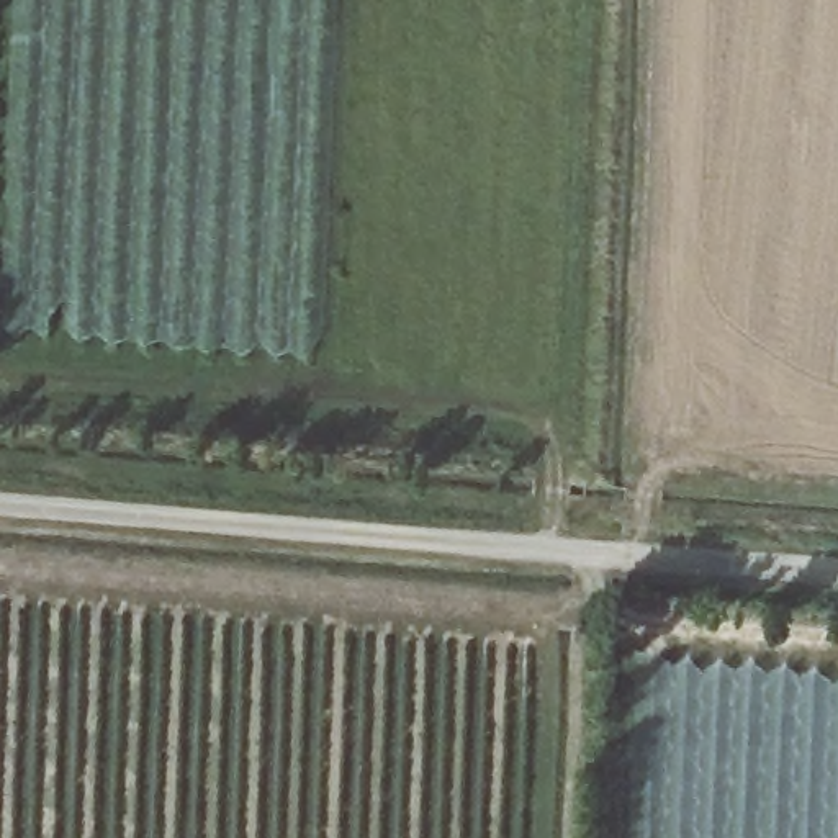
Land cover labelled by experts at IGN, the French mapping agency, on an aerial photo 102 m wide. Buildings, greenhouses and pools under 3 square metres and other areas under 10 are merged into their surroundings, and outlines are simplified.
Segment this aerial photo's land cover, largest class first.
<instances>
[{"label":"deciduous trees","instance_id":"1","mask_svg":"<svg viewBox=\"0 0 838 838\"><path fill-rule=\"evenodd\" d=\"M619 0H0V491L448 530H543V484H556L563 471L592 475L599 462L609 223L596 219V173L612 167ZM645 543L651 553L635 570H612L606 576V586L592 592L589 602L579 609V632L586 642V838H838V507L766 504V488L759 481H750L723 468L671 471L665 478L661 494L651 501V527ZM750 550H759L773 560L776 553H799L809 556V566L792 583L759 579L750 576ZM681 619H691L707 629H720L723 622L743 625L746 619H759L766 638L759 648L733 642H678L674 625ZM789 625H825L828 645L782 651L779 642L789 635Z\"/></svg>","mask_w":838,"mask_h":838},{"label":"vineyard","instance_id":"2","mask_svg":"<svg viewBox=\"0 0 838 838\"><path fill-rule=\"evenodd\" d=\"M766 488V504L838 507V475H786L759 481ZM592 592L583 586L573 566L563 563L488 560L432 550L268 540L160 527H118L46 517H0V838H586V642L579 632V609L589 602ZM750 576L759 579L792 583L809 566V556L799 553H776L773 560L759 550H750Z\"/></svg>","mask_w":838,"mask_h":838},{"label":"plowed land","instance_id":"3","mask_svg":"<svg viewBox=\"0 0 838 838\"><path fill-rule=\"evenodd\" d=\"M651 36L658 39V56L665 65V82L658 88V137L668 144L671 157V229H661L651 246V367L642 380L658 393V406L668 412V435H691L694 409L704 403L710 409L714 429L763 432L769 439V452L759 462H769L786 475H838V0H661V20Z\"/></svg>","mask_w":838,"mask_h":838},{"label":"herbaceous vegetation","instance_id":"4","mask_svg":"<svg viewBox=\"0 0 838 838\"><path fill-rule=\"evenodd\" d=\"M661 20V0H619L612 167L596 173V219L609 223L599 462L592 475L563 471L556 484H543V530L576 540L645 543L651 527V501L661 494L665 478L671 471L723 468L750 481H759L786 475L769 462H759L769 452V439L763 432L714 429L710 409L704 403L694 409L691 435H668V412L658 406V393L642 380L651 367V246L661 229H671V157L668 144L658 137V88L665 82V65L658 56V39L651 36Z\"/></svg>","mask_w":838,"mask_h":838},{"label":"impervious surface","instance_id":"5","mask_svg":"<svg viewBox=\"0 0 838 838\"><path fill-rule=\"evenodd\" d=\"M0 517H46L118 527H160L268 540L432 550L488 560L563 563L573 566L583 586L592 592L606 586V576L612 570H635L651 553L645 543L576 540L543 530H448L0 491Z\"/></svg>","mask_w":838,"mask_h":838},{"label":"pervious surface","instance_id":"6","mask_svg":"<svg viewBox=\"0 0 838 838\"><path fill-rule=\"evenodd\" d=\"M678 642H733L759 648L766 638L759 619H746L743 625L723 622L720 629H707L691 619H681L674 625ZM782 651L828 645L825 625H789V635L779 642Z\"/></svg>","mask_w":838,"mask_h":838}]
</instances>
